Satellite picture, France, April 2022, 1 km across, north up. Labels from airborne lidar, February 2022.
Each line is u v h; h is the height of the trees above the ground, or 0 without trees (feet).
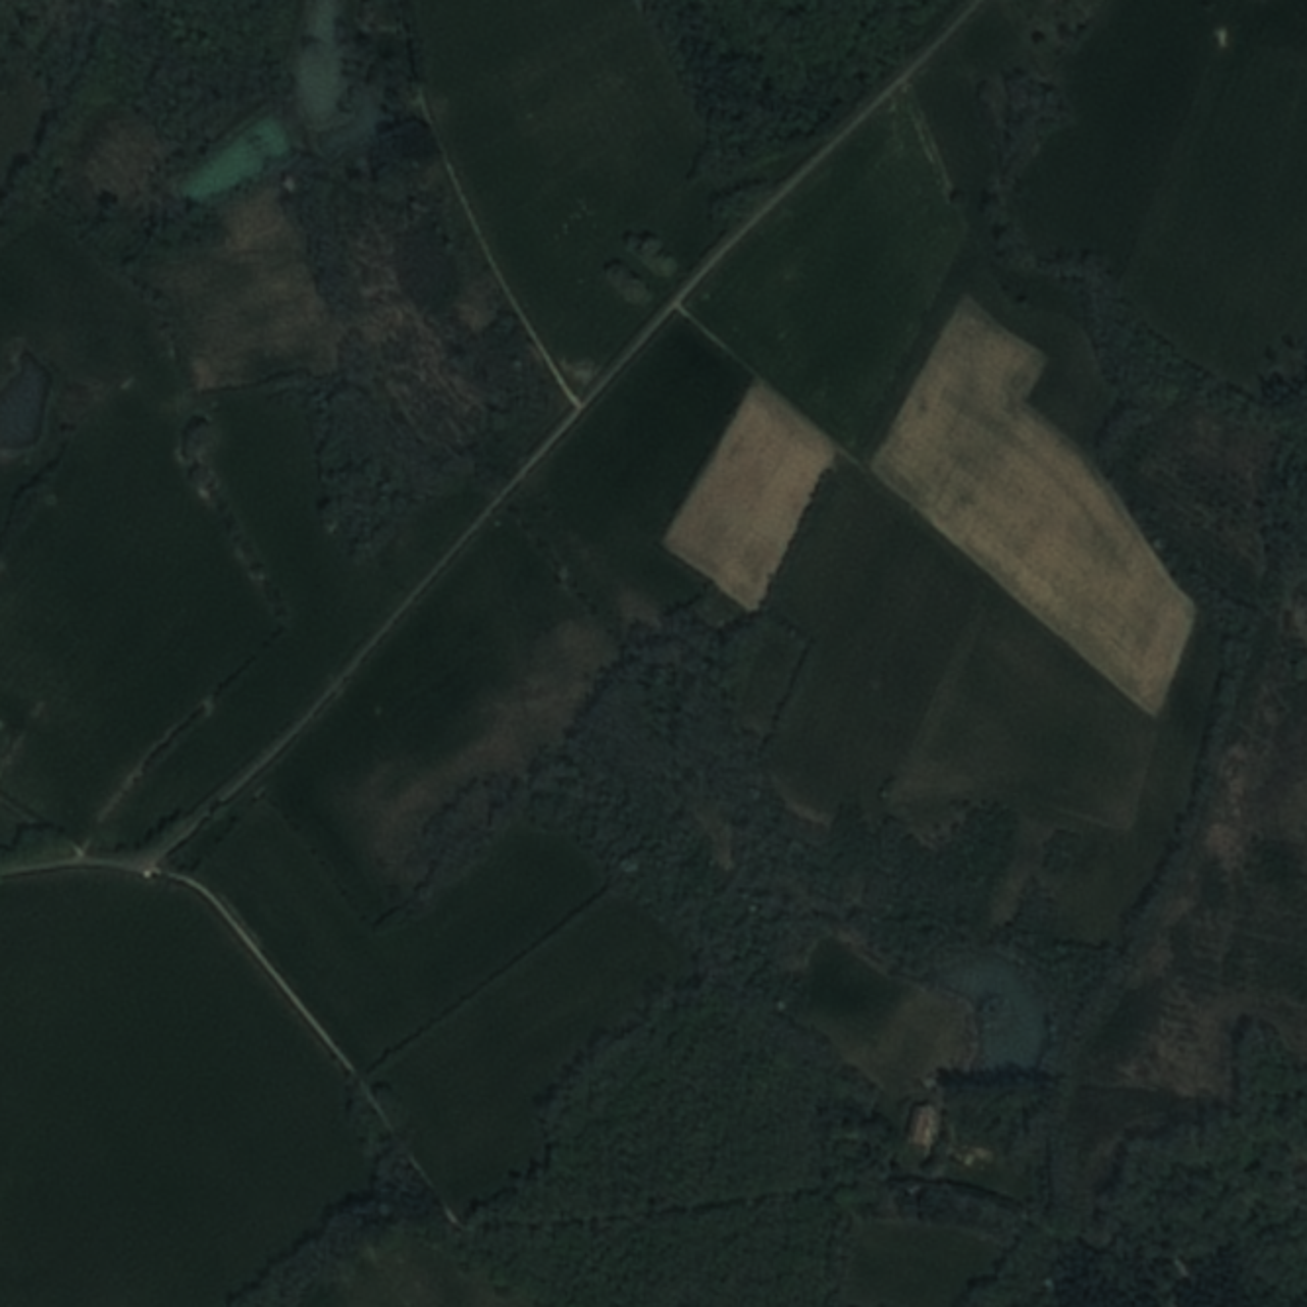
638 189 0
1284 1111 80
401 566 0
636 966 0
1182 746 0
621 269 35
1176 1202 78
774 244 0
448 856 43
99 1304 0
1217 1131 78
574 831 32
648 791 66
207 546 0
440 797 0
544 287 0
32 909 0
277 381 18
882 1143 26
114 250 17
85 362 0
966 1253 0
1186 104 0
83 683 0
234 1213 0
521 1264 54
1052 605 0
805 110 66
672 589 0
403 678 0
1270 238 0
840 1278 44
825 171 0
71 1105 0
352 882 0
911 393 0
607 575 0
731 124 71
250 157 0
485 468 57
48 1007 0
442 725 0
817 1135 48
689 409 0
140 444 0
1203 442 0
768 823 61
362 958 0
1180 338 0
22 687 0
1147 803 0
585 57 0
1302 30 0
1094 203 0
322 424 26
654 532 0
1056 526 0
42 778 0
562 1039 0
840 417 0
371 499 54
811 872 66
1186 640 0
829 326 0
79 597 0
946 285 0
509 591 0
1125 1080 0
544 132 0
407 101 60
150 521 0
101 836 0
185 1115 0
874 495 0
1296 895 0
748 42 72
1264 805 0
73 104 70
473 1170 0
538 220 0
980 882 23
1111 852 0
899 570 0
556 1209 57
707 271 0
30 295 0
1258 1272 73
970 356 0
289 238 0
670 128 0
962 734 0
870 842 18
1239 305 0
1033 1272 63
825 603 0
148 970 0
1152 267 0
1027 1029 0
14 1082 0
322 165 50
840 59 82
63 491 0
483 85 0
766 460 0
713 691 68
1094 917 0
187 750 0
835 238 0
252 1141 0
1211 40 0
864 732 0
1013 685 0
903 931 26
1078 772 0
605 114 0
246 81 52
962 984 0
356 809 0
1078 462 0
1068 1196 73
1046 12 0
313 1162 0
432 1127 0
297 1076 0
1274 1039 56
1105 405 0
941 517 0
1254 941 0
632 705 82
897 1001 0
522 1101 0
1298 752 0
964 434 0
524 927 0
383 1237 84
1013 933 30
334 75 0
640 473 0
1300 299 0
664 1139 55
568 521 0
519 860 0
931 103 0
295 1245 0
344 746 0
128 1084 0
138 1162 0
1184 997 0
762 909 29
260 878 0
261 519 0
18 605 0
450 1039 0
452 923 0
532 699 0
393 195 85
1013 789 0
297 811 0
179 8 81
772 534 0
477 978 0
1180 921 0
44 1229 0
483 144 0
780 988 25
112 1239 0
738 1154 52
